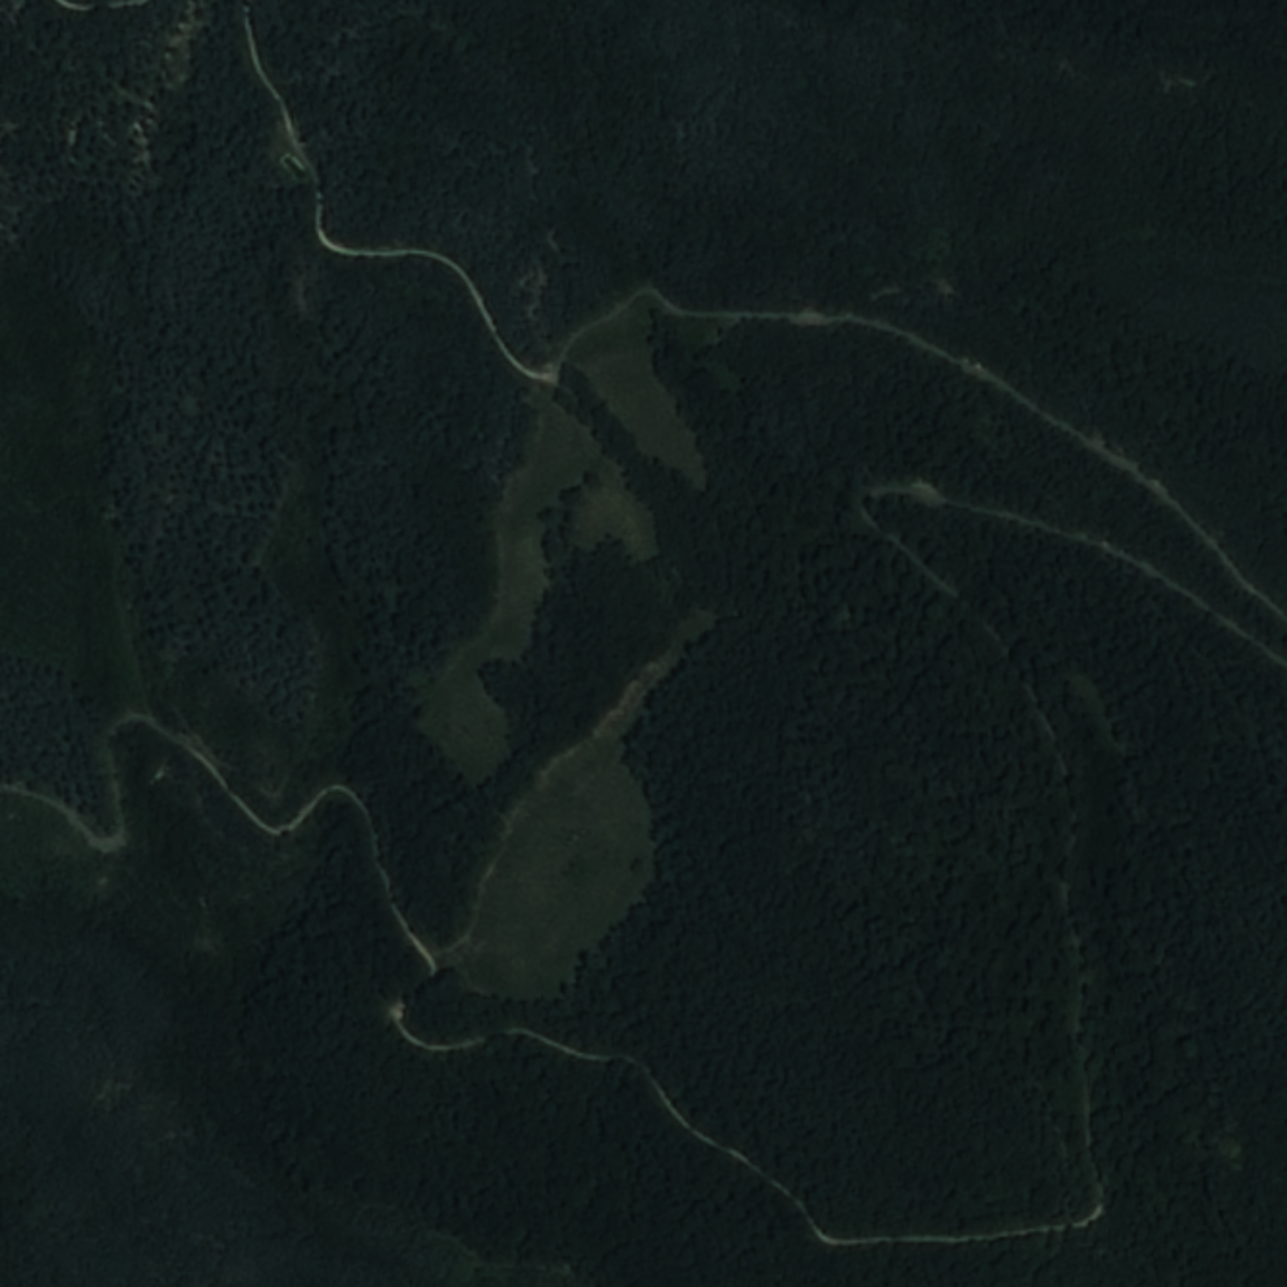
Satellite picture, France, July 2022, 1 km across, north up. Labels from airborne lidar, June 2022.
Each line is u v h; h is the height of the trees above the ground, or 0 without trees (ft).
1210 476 43
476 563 51
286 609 69
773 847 57
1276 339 24
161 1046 33
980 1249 48
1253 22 56
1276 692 55
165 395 28
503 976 0
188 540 51
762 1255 72
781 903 51
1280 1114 57
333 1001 42
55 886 24
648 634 53
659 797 60
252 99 44
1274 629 51
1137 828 58
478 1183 59
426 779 47
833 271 34
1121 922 64
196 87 48
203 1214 41
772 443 59
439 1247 19
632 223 49
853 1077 44
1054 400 50
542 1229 58
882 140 42
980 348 50
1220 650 55
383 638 60
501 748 0
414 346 52
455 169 53
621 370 0
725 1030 49
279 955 58
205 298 52
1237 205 47
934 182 39
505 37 45
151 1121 20
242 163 37
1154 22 50
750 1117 54
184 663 22
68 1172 47
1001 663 44
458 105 30
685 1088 44
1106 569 50
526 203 44
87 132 66
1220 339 23
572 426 0
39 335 25
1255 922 61
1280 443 52
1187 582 23
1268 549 43
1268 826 52
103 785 81
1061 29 39
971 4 48
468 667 0
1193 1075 62
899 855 71
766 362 44
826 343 41
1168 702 57
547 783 0
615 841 0
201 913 18
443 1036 54
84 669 28
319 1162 56
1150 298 28
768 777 41
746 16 39
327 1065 47
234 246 45
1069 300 61
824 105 45
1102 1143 77
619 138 50
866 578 72
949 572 60
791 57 43
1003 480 52
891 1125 45
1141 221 57
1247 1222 53
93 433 19
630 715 0
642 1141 46
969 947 53
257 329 47
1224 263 37
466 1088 56
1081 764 74
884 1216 53
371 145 43
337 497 65
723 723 33
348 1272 42
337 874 41
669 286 34
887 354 32
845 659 73
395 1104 45
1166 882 61
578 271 47
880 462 57
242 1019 28
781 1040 50
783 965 47
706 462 27
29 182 60
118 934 27
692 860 44
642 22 45
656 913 66
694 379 72
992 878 84
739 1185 69
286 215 49
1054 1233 44
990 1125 47
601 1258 56
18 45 48
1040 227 46
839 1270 63
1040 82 35
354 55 49
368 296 49
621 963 70
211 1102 32
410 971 61
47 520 25
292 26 30
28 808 19
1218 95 35
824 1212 46
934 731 61
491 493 40
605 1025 52
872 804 73
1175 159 57
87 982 27
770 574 55
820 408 20
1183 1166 72
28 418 21
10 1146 31
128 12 38
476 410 54
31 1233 42
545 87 48
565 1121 64
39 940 30
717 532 52
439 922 60
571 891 0
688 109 33
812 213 44
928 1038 56
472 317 40
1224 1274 106
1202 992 64
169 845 27
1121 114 33
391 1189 60
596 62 42
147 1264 35
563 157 27
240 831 28
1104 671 57
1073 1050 45
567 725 50
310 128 25
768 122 37
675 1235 65
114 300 54
